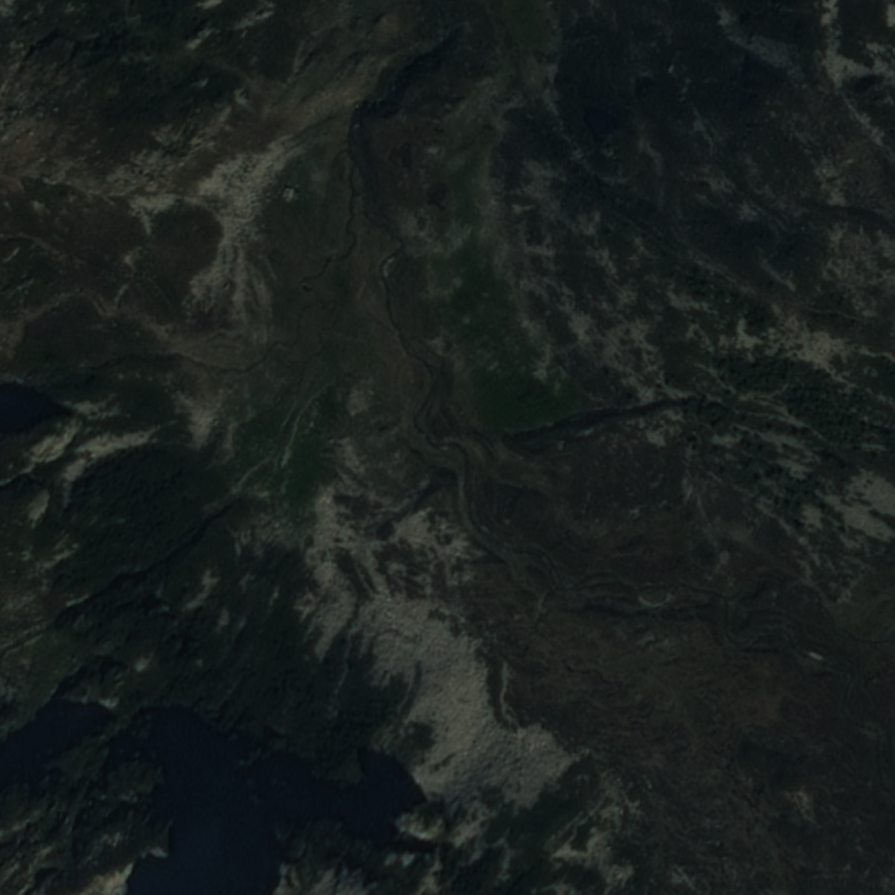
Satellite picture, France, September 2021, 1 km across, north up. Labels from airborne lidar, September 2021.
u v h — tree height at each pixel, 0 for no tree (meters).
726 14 0
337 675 0
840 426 6
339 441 0
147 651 0
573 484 0
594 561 0
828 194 0
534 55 0
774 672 0
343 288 0
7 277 0
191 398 0
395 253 0
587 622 0
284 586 0
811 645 0
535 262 0
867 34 0
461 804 0
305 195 0
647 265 0
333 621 0
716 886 0
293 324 0
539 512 0
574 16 0
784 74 0
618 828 0
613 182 0
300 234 0
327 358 0
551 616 0
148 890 0
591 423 0
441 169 0
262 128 0
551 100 0
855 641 0
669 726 0
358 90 0
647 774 0
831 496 0
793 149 0
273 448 0
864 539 0
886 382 0
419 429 0
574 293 0
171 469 0
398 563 0
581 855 0
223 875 0
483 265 0
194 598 0
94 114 0
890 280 0
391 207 0
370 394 0
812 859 0
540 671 0
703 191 0
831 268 0
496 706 0
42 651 0
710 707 0
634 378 0
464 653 0
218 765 8
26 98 0
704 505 0
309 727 0
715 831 0
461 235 0
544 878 0
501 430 0
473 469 0
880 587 0
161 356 0
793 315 0
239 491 0
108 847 0
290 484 0
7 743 0
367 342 0
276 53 0
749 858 0
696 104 0
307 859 0
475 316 0
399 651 0
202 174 0
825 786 0
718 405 6
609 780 0
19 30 0
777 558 0
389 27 0
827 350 0
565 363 0
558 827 0
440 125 0
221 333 0
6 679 0
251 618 0
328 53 0
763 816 0
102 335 0
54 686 0
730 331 0
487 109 0
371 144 0
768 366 6
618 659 0
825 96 0
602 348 0
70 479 0
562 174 0
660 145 0
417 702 0
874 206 0
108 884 0
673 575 0
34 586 0
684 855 0
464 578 0
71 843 0
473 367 0
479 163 0
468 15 0
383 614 0
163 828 0
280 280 0
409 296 0
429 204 0
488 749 0
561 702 0
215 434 0
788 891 0
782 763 0
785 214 0
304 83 0
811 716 0
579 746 0
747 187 0
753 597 0
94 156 0
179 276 0
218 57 0
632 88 0
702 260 0
